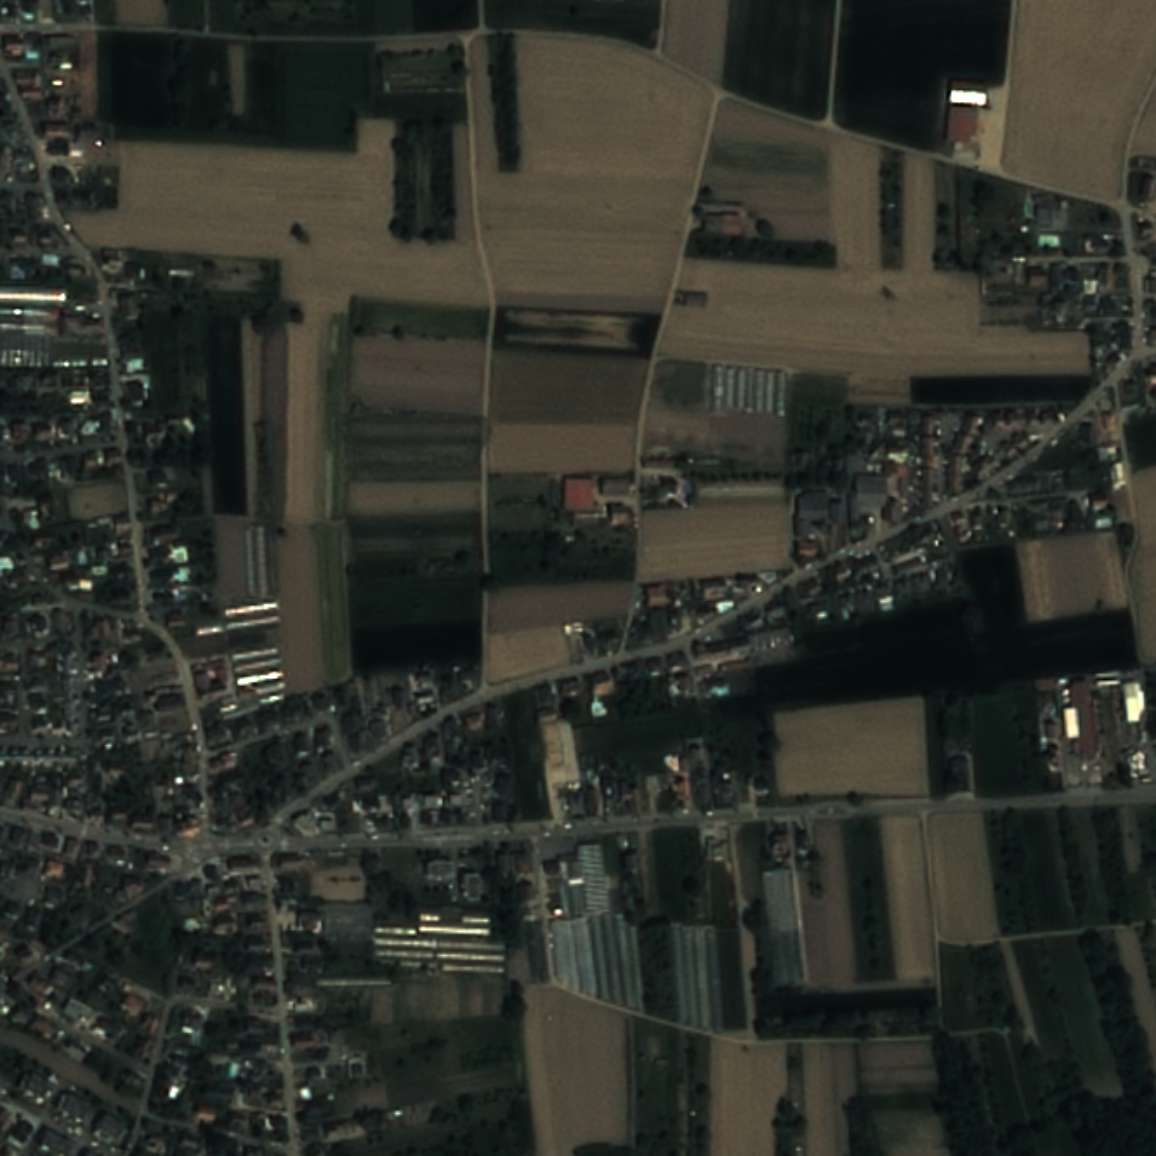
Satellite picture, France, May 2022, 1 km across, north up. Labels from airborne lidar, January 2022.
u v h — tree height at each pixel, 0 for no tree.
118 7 0
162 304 0
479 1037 0
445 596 0
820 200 0
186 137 0
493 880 14
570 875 0
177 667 0
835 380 0
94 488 0
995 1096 6
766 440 0
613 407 0
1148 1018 0
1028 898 7
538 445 0
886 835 0
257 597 0
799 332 0
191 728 0
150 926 0
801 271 0
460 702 0
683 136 0
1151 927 9
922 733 0
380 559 0
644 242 0
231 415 0
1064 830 7
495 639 0
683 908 0
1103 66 0
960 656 0
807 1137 0
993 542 0
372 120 0
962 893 0
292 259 0
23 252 0
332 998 0
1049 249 7
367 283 0
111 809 8
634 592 0
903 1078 0
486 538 0
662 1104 0
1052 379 0
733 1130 0
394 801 0
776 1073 0
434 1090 0
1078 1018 0
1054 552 0
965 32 0
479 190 0
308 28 0
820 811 0
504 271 0
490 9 0
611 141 0
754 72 0
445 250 0
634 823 0
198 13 0
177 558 0
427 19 0
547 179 0
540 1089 0
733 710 0
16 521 8
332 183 0
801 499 0
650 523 0
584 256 0
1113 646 0
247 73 0
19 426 0
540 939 0
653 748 0
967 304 0
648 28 0
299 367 0
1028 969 0
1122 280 0
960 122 0
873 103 0
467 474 0
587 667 0
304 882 0
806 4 0
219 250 0
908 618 0
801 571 0
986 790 0
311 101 0
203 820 0
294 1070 0
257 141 0
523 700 0
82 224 0
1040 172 0
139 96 0
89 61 0
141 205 0
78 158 0
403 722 0
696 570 0
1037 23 0
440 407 0
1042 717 0
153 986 0
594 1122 0
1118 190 0
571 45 0
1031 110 0
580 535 8
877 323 0
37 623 0
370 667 0
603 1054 0
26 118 0
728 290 0
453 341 0
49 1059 0
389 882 9
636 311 0
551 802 13
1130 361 0
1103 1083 0
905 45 0
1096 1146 27
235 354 0
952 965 0
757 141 0
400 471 0
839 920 0
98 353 0
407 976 0
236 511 0
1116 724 0
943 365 0
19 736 0
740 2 0
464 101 0
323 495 0
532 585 0
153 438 0
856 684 0
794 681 0
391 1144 0
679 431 0
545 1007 0
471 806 0
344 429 0
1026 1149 12
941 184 0
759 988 13
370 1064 0
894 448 0
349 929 0
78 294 0
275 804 10
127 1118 6
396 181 6
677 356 0
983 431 7
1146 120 0
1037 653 0
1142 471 0
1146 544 0
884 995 0
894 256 0
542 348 0
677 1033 0
